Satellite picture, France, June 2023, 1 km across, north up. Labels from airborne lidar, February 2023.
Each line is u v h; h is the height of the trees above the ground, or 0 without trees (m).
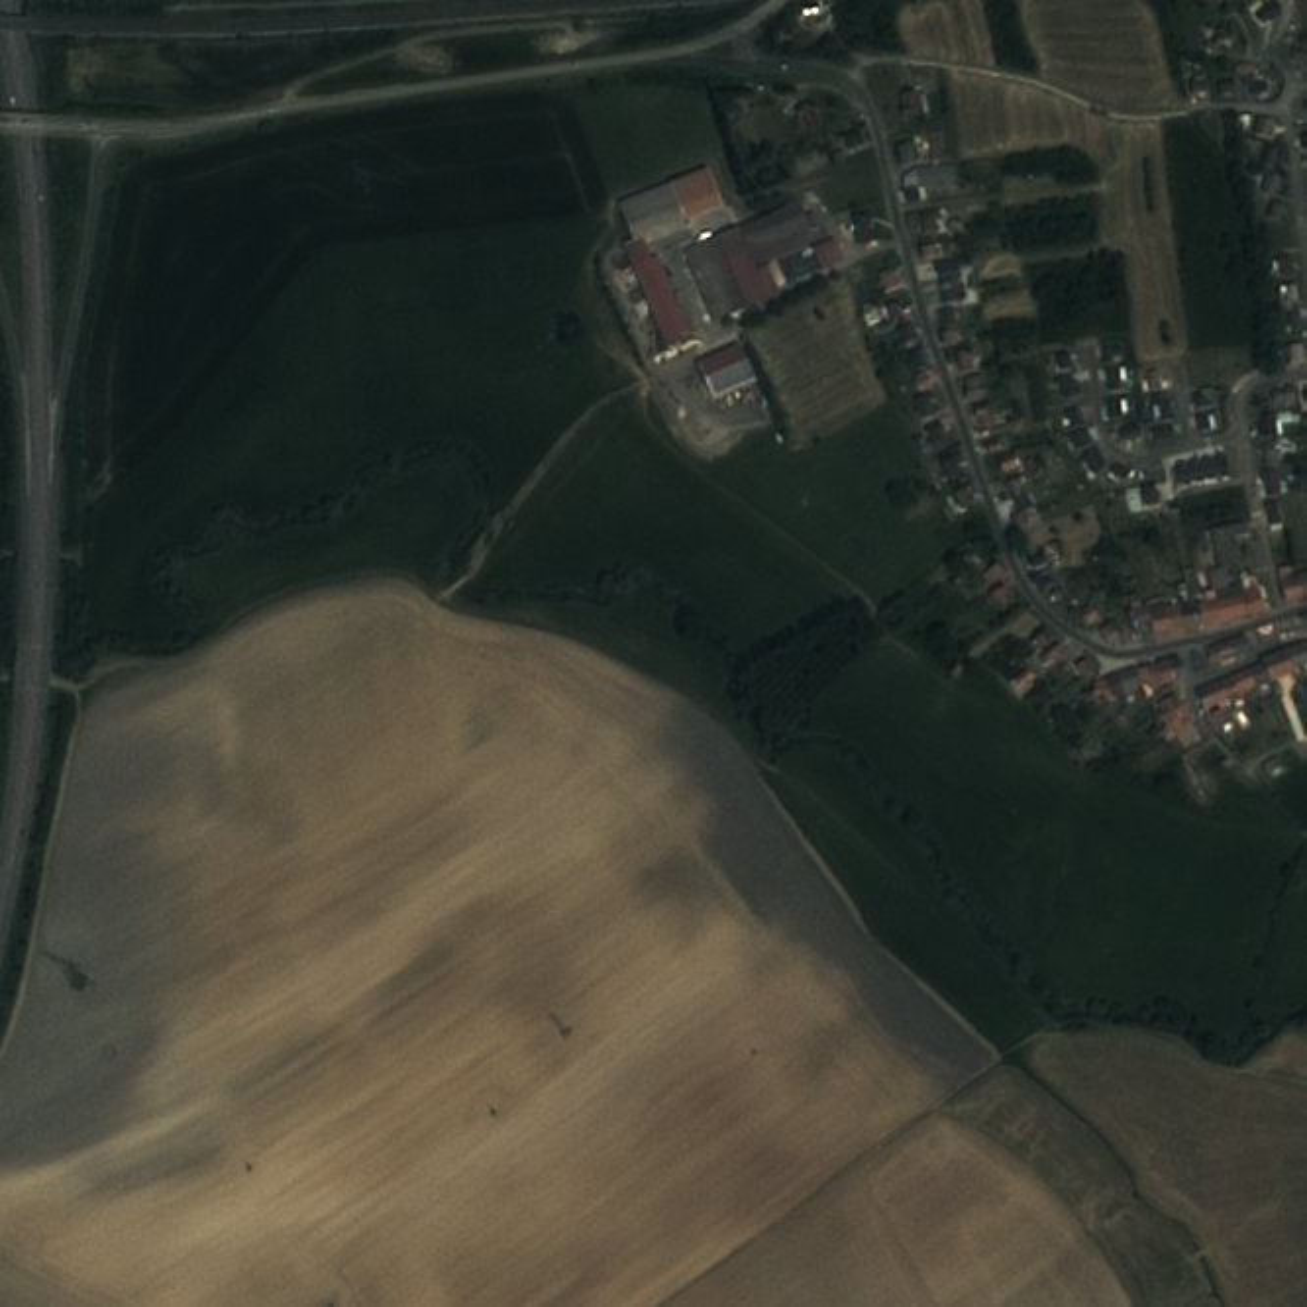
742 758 0
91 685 0
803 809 0
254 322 0
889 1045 0
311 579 0
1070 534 0
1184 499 0
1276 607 0
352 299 0
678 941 0
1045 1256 0
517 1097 0
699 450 0
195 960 0
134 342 0
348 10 0
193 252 0
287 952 0
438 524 0
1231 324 0
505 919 0
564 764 0
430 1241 0
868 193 0
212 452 0
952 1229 0
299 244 0
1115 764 6
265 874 0
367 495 0
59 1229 0
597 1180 0
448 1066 0
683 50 0
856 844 0
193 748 0
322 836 0
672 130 0
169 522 0
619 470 0
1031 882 0
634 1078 0
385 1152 0
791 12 7
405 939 0
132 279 0
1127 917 0
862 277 0
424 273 0
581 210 0
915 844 0
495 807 0
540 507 0
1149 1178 0
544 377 0
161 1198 0
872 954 0
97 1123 0
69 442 7
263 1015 0
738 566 0
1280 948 0
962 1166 0
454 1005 0
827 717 0
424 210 0
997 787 0
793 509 0
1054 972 0
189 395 0
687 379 0
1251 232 8
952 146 0
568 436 0
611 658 0
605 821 0
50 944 0
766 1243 0
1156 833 0
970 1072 0
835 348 0
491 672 0
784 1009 0
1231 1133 0
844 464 0
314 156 0
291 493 0
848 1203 0
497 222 0
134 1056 0
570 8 0
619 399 0
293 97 0
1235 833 0
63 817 0
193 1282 0
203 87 0
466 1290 0
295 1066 0
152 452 0
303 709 0
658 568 0
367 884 0
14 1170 0
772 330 0
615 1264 0
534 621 0
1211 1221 0
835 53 8
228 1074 0
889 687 0
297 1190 0
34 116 0
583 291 0
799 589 0
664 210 0
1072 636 0
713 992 0
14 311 0
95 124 0
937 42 0
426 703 0
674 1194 0
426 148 0
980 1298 0
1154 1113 0
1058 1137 0
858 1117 0
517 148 0
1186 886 0
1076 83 0
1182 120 0
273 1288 0
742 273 0
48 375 0
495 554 0
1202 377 0
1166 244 0
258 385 0
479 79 0
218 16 0
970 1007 0
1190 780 0
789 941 0
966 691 0
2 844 0
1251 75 0
